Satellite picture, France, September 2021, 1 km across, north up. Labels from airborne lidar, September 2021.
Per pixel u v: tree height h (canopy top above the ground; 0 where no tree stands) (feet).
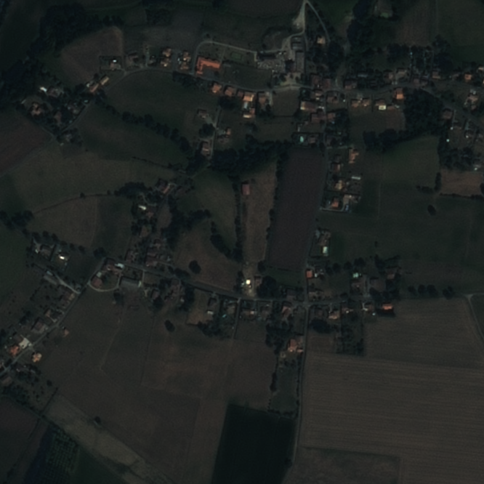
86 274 0
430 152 0
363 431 0
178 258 0
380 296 46
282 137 0
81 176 0
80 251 34
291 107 0
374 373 0
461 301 0
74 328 0
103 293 0
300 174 0
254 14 0
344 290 0
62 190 0
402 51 32
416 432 0
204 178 0
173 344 0
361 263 41
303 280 0
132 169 0
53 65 0
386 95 0
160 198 33
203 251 0
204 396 0
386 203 0
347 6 0
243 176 0
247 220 0
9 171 0
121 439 0
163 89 0
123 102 0
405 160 0
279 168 18
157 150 0
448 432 0
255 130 52
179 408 0
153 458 0
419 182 0
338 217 0
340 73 0
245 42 0
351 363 0
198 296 0
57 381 0
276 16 0
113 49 0
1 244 0
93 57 0
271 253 0
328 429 0
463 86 0
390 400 0
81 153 0
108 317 0
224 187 0
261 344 0
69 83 0
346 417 0
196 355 0
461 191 0
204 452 0
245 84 0
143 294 0
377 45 0
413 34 0
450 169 52
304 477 0
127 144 0
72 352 0
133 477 0
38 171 0
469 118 0
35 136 0
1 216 37
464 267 0
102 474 0
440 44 64
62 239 0
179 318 0
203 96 0
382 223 0
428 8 0
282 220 0
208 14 0
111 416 0
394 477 0
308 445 0
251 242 0
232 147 0
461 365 0
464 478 0
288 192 0
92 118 0
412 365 0
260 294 46
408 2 0
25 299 0
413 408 0
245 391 0
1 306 0
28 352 0
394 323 0
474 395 0
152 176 0
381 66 0
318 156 0
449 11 0
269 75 0
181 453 0
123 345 0
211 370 0
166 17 44
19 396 31
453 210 0
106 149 0
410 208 0
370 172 0
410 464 0
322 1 0
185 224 50
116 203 0
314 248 0
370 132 0
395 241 0
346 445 0
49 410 0
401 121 0
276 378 35
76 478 0
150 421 0
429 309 0
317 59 40
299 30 0
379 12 0
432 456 0
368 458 0
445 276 0
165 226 0
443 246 0
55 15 21
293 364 18
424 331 0
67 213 0
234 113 0
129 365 0
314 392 0
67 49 0
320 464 0
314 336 0
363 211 0
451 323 0
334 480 0
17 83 77
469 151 38
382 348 0
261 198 0
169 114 0
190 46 0
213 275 0
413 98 27
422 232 0
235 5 0
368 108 0
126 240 0
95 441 0
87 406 0
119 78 0
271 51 0
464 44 0
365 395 0
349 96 0
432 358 0
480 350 0
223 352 0
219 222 0
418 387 0
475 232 0
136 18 0
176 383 0
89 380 0
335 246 0
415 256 0
